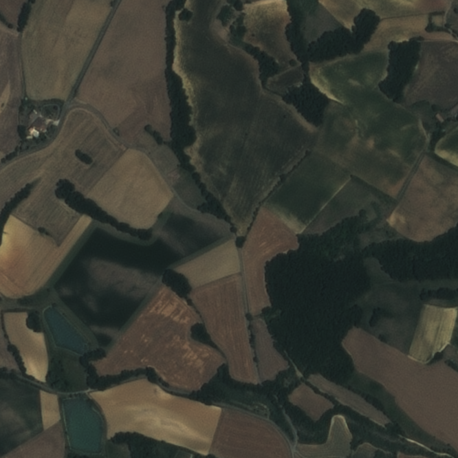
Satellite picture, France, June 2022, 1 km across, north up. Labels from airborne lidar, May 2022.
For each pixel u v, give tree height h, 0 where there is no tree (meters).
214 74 0
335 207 0
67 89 0
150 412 0
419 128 0
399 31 0
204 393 10
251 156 0
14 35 0
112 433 0
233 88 0
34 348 0
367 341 0
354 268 19
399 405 0
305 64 16
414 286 0
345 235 11
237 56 0
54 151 0
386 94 15
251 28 0
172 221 0
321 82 0
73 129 0
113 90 0
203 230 0
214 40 0
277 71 19
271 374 0
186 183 0
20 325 0
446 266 20
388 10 0
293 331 15
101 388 14
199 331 13
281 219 0
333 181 0
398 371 0
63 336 0
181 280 18
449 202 0
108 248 0
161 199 0
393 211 0
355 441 6
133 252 0
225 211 12
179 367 0
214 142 0
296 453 0
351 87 0
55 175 0
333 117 0
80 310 0
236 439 0
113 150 0
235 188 0
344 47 19
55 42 0
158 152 0
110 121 0
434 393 0
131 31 0
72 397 17
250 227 7
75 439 0
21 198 14
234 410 0
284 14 0
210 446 0
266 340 0
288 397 7
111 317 0
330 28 0
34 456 0
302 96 13
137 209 0
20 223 0
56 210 0
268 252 0
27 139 7
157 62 0
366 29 21
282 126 0
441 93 0
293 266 25
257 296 0
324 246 13
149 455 16
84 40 0
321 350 15
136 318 0
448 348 0
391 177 0
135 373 11
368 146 0
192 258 0
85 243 0
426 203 0
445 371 0
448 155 0
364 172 0
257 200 0
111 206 0
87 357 14
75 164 0
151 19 0
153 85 0
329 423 7
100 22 0
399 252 13
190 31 0
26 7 16
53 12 0
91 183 0
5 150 0
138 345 0
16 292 0
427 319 0
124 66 0
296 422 6
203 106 0
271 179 0
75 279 0
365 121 0
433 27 11
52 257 0
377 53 0
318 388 9
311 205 0
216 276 0
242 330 0
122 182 0
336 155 0
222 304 0
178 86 15
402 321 0
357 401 0
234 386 11
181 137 19
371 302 0
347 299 22
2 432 0
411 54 17
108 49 0
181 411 0
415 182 0
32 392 0
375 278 0
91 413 0
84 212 12
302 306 19
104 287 0
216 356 0
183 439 0
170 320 0
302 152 0
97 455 0
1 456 0
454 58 0
